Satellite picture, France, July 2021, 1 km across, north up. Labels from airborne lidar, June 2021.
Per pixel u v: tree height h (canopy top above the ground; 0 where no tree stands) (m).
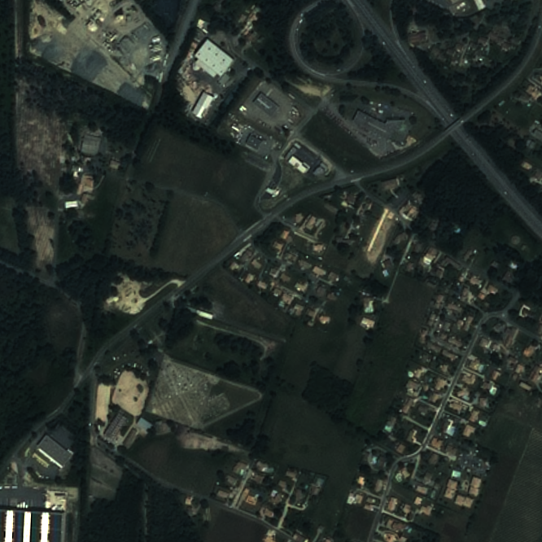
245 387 0
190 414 0
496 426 0
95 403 0
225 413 0
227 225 0
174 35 12
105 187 0
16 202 13
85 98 27
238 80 0
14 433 10
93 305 20
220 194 0
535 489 0
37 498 0
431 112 0
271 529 0
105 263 12
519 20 10
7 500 0
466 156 11
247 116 0
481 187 15
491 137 19
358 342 0
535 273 23
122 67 0
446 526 0
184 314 21
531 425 0
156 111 9
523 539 0
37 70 22
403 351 0
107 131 23
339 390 7
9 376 21
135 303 0
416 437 0
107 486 0
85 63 0
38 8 0
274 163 0
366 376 0
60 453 0
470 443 11
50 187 0
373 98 0
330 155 0
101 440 5
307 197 0
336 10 17
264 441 21
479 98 8
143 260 0
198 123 7
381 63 20
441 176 14
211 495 8
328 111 0
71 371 10
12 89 7
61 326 0
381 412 0
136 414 0
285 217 0
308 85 0
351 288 0
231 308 0
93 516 7
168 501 8
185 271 0
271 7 21
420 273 7
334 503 0
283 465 0
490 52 0
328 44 13
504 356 11
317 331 0
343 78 0
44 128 0
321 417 0
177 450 0
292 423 0
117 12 0
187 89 0
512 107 0
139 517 12
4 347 8
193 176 0
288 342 0
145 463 0
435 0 0
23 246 21
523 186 12
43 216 0
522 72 0
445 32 18
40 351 21
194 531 8
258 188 0
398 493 0
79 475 11
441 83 11
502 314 0
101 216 0
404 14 21
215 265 0
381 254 0
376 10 0
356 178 0
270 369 10
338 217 12
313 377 6
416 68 0
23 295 8
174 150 0
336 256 0
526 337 0
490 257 0
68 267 21
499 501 0
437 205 22
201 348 0
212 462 0
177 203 0
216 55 0
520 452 0
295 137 0
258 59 0
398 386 0
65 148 12
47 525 0
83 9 0
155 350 16
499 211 19
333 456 0
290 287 0
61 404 0
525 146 14
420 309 0
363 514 0
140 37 0
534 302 12
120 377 0
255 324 0
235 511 0
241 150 0
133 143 15
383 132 0
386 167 0
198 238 0
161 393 0
